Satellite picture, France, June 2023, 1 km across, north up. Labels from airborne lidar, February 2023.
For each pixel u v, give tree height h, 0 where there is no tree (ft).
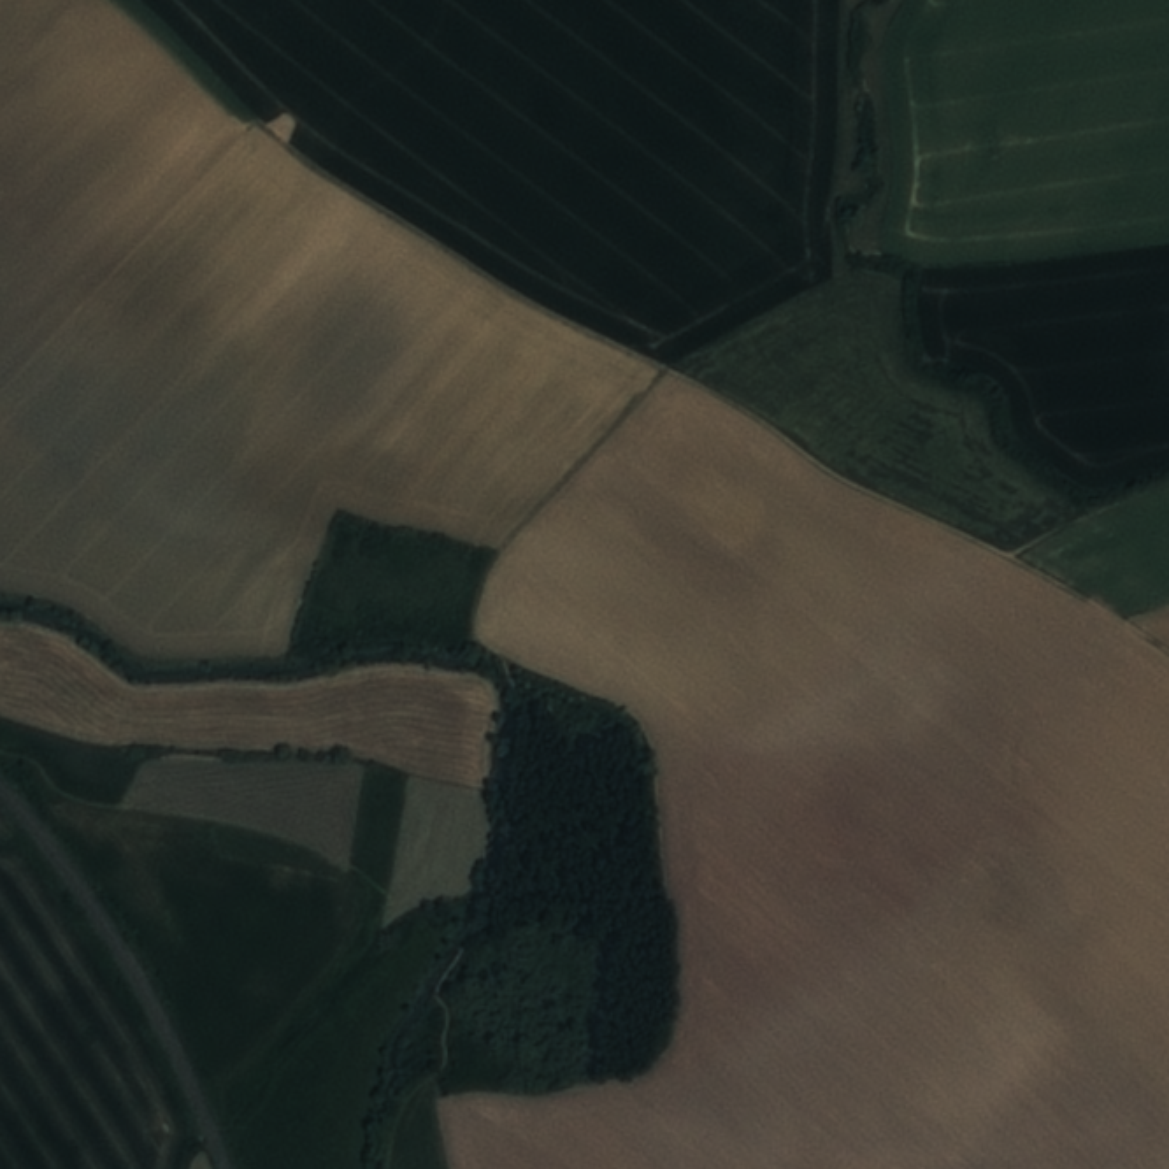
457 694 0
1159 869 0
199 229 0
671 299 0
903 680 0
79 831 0
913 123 0
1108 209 0
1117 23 0
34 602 32
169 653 0
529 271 0
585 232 0
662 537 0
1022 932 0
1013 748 0
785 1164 0
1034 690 0
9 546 0
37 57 0
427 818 0
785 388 0
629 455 0
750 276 0
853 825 0
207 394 0
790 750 0
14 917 0
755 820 0
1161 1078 0
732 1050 0
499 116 0
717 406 0
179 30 0
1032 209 0
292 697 0
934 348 0
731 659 0
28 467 0
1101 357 0
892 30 0
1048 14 0
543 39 0
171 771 0
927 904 0
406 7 0
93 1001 0
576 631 0
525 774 93
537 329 0
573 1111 0
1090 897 0
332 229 0
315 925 0
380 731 0
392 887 0
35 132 0
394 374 0
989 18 0
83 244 0
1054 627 0
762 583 0
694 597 0
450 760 0
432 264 0
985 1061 0
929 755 0
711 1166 0
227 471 0
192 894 0
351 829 0
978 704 0
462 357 0
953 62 0
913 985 0
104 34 0
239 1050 0
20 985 0
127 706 0
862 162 41
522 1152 0
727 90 0
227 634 0
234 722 0
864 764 0
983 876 0
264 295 0
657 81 0
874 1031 0
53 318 0
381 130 0
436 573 0
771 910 0
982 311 0
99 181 0
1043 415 0
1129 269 0
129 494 0
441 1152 0
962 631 0
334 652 30
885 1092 0
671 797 0
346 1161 0
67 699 0
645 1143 0
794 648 0
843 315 0
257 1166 0
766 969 0
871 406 0
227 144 0
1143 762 0
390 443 0
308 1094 0
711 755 0
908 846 0
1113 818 0
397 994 0
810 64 0
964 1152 0
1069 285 0
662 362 0
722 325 0
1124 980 0
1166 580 0
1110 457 0
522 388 0
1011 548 0
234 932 0
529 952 19
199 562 0
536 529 0
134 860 0
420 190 0
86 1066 0
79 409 0
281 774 0
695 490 0
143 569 0
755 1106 0
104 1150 0
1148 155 0
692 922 0
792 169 0
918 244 0
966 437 0
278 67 0
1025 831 0
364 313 0
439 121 0
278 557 0
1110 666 0
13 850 0
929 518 0
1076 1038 0
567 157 0
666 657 0
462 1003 20
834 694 0
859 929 0
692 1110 0
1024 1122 0
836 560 0
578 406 0
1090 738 0
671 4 0
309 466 0
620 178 0
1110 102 0
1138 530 0
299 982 0
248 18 0
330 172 0
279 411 0
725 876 0
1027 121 0
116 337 0
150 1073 0
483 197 0
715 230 0
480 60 0
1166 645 0
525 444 0
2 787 0
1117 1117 0
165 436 0
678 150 0
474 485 0
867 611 0
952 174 0
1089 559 0
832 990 0
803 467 0
